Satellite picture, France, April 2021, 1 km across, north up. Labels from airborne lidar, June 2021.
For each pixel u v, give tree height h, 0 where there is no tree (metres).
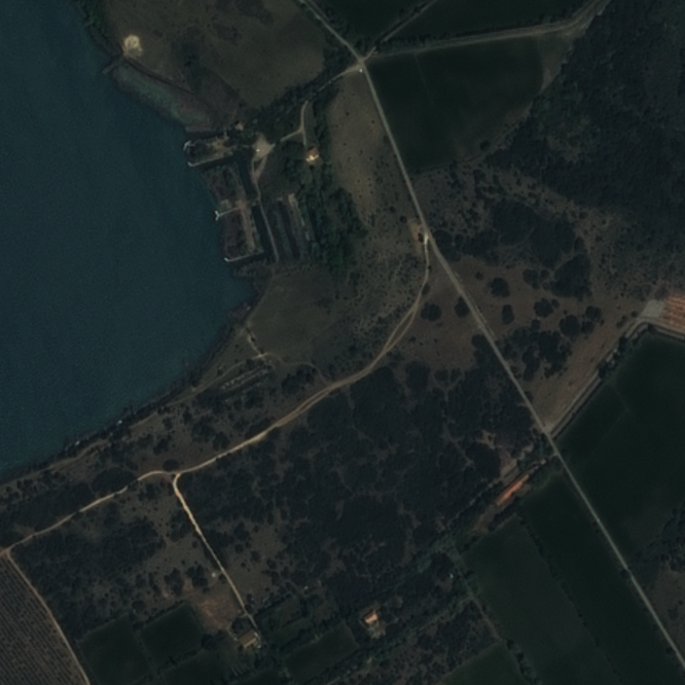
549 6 0
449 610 6
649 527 0
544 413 0
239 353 0
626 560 0
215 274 0
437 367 0
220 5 0
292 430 0
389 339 0
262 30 0
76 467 0
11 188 0
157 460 0
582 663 0
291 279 0
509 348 6
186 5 0
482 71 0
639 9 8
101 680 0
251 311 0
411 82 0
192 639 0
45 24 0
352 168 0
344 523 6
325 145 8
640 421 0
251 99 0
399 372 0
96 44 0
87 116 0
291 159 9
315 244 9
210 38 0
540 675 0
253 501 6
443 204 0
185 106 0
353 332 0
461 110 0
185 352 0
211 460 0
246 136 9
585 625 6
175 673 0
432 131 0
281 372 0
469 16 0
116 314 0
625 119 7
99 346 0
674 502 0
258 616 6
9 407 0
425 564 13
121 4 0
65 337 0
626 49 7
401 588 8
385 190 0
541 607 0
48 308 0
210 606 0
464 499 6
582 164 8
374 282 0
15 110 0
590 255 0
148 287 0
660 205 6
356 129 0
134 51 0
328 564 6
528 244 0
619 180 6
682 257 0
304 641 10
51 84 0
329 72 8
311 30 0
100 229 0
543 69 0
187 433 0
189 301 0
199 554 0
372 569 5
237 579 0
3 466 0
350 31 18
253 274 9
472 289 0
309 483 5
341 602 7
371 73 0
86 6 14
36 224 0
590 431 0
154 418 0
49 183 0
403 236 0
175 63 0
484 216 0
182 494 0
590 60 6
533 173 6
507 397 6
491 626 0
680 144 7
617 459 0
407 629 12
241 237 7
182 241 0
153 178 0
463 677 0
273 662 10
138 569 0
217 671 0
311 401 0
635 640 0
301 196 7
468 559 0
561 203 0
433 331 0
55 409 0
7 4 0
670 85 0
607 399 0
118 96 0
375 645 7
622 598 0
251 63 0
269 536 0
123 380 0
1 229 0
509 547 0
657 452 0
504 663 0
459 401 6
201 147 12
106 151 0
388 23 0
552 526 0
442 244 7
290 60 0
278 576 6
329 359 0
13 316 0
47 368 0
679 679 0
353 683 7
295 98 14
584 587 0
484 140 0
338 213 7
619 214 0
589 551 0
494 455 6
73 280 0
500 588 0
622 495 0
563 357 6
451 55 0
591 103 7
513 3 0
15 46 0
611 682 0
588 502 0
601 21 7
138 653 0
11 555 0
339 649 0
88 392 0
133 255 0
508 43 0
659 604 0
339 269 9
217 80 0
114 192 0
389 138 0
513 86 0
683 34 0
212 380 0
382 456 0
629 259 0
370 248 0
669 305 0
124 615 0
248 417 0
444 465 5
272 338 0
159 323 0
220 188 0
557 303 6
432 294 0
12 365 0
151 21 0
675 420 0
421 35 0
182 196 0
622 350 9
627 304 0
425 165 0
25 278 0
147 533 6
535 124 8
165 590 0
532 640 0
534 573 0
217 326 0
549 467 18
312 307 0
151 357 0
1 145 0
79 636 9
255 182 0
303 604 7
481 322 0
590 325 7
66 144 0
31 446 0
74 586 6
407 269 0
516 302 0
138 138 0
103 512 0
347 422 6
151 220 0
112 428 7
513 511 8
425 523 7
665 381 0
